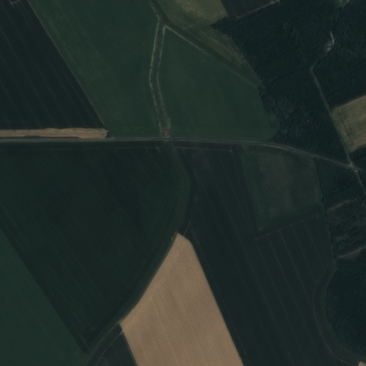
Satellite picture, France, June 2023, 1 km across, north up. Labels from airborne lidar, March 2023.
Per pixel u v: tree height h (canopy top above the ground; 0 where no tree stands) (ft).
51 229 0
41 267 0
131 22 0
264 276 0
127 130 0
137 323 0
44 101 0
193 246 0
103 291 0
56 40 0
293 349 0
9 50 0
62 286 0
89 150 0
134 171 0
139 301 0
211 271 0
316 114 35
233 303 0
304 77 65
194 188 0
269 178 0
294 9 61
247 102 0
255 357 0
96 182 0
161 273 0
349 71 34
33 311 0
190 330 0
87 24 0
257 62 41
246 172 0
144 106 0
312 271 0
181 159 0
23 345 0
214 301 0
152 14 0
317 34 65
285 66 56
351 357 0
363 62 43
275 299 0
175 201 0
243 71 0
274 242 0
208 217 0
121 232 0
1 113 0
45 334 0
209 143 0
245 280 0
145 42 0
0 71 0
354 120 0
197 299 0
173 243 0
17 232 0
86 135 0
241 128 0
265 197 0
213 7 0
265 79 37
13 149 0
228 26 44
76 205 0
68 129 0
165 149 0
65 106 0
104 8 0
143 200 0
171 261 0
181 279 0
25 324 0
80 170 0
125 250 0
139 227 0
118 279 0
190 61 0
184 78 0
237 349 0
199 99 0
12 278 0
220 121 0
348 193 68
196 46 0
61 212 0
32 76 0
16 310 0
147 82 0
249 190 0
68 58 0
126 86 0
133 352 0
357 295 65
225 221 0
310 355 0
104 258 0
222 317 0
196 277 0
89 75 0
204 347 0
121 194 0
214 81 0
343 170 35
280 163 0
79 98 0
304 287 0
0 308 0
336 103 50
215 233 0
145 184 0
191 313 0
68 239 0
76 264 0
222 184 0
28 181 0
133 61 0
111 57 0
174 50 0
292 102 51
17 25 0
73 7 0
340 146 64
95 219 0
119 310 0
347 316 60
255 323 0
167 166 0
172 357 0
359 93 47
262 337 0
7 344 0
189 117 0
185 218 0
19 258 0
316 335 0
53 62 0
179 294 0
